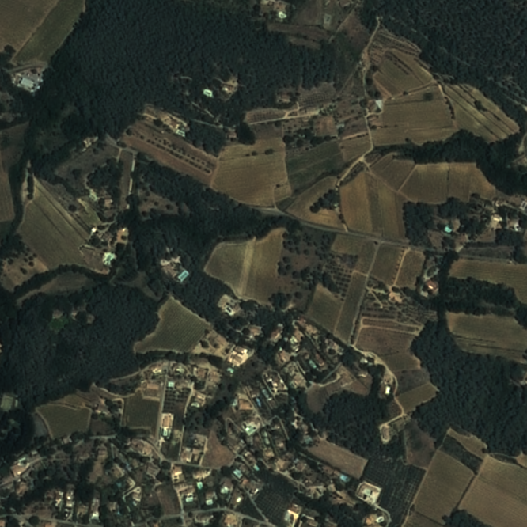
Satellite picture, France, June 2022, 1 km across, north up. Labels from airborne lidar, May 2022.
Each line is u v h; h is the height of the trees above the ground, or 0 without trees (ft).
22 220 21
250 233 50
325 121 0
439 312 56
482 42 66
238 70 57
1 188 0
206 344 61
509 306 43
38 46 0
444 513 0
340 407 60
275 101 29
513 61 68
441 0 61
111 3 73
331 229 0
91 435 18
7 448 98
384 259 0
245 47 53
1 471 64
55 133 26
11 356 69
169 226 50
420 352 59
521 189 62
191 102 58
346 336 0
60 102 42
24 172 26
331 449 0
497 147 75
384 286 29
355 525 66
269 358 71
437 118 0
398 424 0
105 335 70
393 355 0
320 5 0
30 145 36
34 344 66
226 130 32
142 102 64
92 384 42
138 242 51
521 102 46
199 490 18
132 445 0
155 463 29
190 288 49
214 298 44
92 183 44
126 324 59
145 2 58
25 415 80
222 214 61
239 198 0
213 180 0
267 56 71
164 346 0
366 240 0
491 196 0
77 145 25
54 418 0
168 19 69
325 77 62
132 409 0
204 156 0
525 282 0
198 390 33
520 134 36
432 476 0
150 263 47
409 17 55
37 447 20
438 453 0
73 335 86
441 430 53
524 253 55
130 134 38
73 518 25
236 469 27
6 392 64
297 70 68
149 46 63
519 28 68
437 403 45
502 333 0
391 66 0
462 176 0
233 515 0
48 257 0
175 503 0
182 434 0
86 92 65
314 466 29
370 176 0
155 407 0
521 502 0
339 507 48
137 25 61
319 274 27
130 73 56
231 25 66
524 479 0
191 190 64
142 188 60
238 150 0
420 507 0
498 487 0
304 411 70
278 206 0
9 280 0
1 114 24
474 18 65
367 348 0
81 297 42
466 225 58
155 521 18
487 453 66
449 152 55
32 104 48
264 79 66
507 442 72
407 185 0
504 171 68
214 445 0
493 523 0
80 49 61
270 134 0
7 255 33
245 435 32
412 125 0
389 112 0
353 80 0
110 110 64
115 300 69
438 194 0
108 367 60
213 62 58
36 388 48
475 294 20
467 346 0
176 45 56
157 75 67
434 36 49
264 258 0
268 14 26
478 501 0
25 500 52
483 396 70
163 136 0
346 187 0
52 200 0
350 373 0
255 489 0
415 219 64
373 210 0
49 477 81
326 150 0
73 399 0
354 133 0
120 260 18
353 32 0
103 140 34
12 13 0
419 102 0
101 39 61
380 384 24
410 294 55
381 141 0
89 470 57
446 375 61
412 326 0
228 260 0
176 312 0
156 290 62
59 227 0
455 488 0
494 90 53
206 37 62
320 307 0
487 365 74
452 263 37
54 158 39
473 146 34
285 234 26
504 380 51
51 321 31
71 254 0
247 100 70
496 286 32
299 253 31
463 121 0
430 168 0
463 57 60
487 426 63
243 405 0
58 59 62
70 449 36
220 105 21
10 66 35
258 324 48
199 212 70
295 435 27
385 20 51
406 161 0
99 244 47
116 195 41
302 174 0
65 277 0
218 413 39
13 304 39
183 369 0
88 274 35
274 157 0
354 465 0
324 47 30
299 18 0
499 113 0
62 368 48
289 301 39
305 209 0
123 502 63
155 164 48
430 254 38
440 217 21
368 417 53
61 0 0
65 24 0
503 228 25
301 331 22
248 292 0
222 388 51
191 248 55
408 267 0
